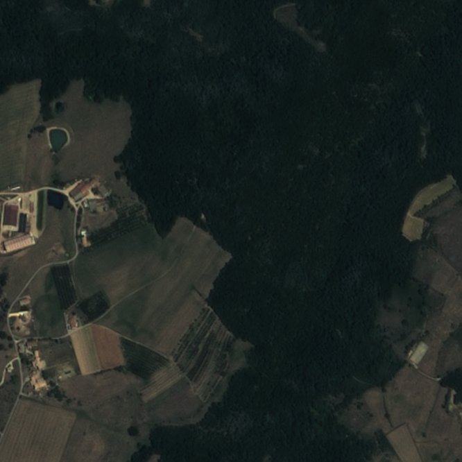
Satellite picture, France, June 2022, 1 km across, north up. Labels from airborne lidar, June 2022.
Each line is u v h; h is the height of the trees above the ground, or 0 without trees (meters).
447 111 13
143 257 0
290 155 18
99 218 0
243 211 13
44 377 7
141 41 11
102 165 0
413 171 13
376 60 12
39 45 26
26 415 0
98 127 0
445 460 0
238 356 0
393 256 12
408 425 0
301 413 12
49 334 0
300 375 24
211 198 12
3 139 0
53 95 22
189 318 0
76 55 7
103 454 0
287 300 17
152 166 12
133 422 0
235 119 9
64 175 0
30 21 6
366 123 14
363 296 12
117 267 0
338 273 8
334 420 7
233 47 13
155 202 18
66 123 0
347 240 21
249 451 21
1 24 24
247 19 11
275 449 8
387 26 10
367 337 5
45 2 15
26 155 0
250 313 13
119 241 0
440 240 0
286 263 22
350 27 8
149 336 0
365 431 0
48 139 0
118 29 11
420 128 14
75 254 0
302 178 16
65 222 0
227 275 18
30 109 0
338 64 7
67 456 0
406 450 0
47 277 0
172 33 9
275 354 15
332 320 10
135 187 14
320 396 13
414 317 0
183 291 0
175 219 16
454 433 0
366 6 9
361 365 8
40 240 0
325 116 17
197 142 17
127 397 0
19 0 12
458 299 0
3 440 0
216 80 14
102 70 18
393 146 17
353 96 12
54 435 0
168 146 14
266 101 17
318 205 15
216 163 19
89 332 0
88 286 0
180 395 0
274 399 15
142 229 0
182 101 16
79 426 0
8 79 18
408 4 14
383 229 11
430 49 6
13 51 19
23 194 0
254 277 14
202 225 6
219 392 0
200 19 15
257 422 20
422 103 16
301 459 16
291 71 18
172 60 10
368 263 12
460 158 10
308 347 23
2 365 0
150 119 18
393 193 12
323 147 14
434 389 0
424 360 0
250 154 9
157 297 0
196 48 7
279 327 15
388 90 9
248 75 19
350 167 10
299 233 13
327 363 15
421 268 0
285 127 14
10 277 0
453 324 9
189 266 0
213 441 12
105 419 0
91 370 0
